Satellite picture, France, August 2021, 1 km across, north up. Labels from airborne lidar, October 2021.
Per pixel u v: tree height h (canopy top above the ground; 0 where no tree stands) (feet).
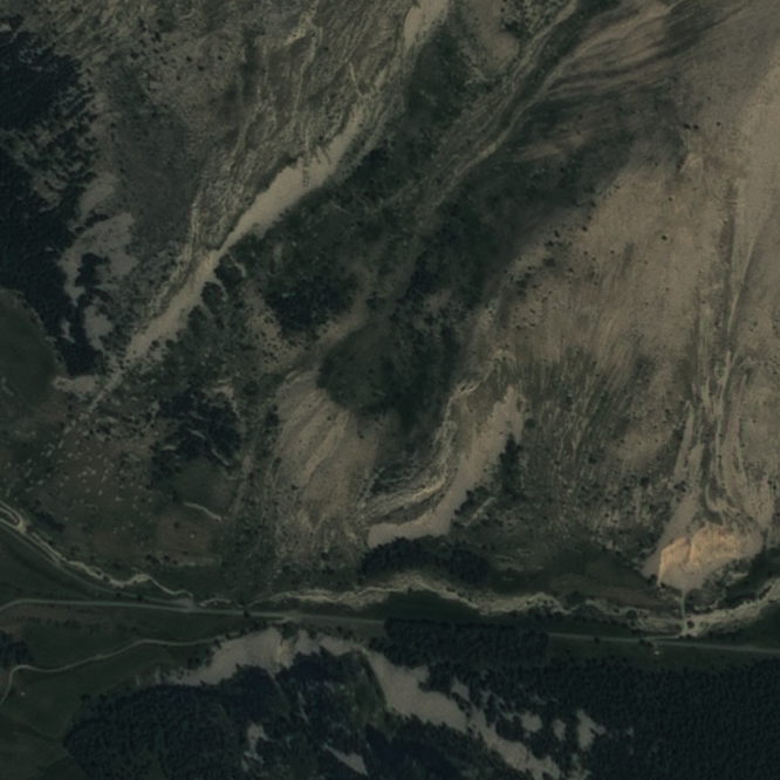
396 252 0
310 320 20
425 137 0
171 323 0
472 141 0
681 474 0
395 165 0
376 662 0
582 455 0
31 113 26
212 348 0
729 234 0
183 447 24
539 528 0
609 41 0
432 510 0
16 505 0
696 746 38
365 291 0
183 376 0
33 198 28
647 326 0
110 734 72
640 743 32
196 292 0
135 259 0
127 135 0
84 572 0
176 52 0
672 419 0
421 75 0
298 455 0
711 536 0
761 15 0
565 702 20
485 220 0
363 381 0
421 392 0
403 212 0
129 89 0
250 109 0
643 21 0
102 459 0
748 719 33
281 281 0
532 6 0
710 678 40
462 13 0
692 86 0
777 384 0
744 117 0
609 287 0
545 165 0
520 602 0
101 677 0
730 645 0
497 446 0
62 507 0
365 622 0
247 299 0
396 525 0
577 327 0
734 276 0
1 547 0
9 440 0
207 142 0
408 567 78
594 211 0
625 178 0
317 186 0
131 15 0
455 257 0
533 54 0
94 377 0
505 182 0
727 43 0
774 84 0
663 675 19
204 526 0
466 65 0
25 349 0
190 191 0
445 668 48
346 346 0
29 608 0
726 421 0
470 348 0
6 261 20
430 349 0
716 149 0
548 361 0
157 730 57
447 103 0
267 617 0
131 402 0
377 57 0
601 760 18
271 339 0
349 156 0
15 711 0
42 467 0
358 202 0
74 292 0
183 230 0
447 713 0
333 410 0
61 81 27
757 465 0
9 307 0
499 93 0
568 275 0
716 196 0
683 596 0
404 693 0
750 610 0
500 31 0
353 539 0
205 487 0
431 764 23
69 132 23
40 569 0
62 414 0
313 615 0
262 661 0
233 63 0
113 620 0
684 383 0
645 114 0
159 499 0
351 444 0
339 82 0
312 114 0
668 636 0
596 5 0
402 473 0
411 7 0
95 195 0
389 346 0
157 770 0
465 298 0
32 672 0
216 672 0
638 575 0
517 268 0
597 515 0
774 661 19
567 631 0
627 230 0
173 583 0
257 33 0
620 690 32
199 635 0
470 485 0
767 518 0
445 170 0
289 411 0
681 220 0
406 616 0
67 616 0
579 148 0
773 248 0
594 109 0
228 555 0
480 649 72
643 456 0
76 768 0
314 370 0
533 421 0
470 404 0
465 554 49
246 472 0
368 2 0
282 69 0
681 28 0
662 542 0
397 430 0
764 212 0
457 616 0
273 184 0
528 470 0
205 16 0
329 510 0
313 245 0
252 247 0
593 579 0
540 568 0
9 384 0
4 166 32
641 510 0
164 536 0
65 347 27
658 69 0
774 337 0
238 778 20
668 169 0
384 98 0
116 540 0
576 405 0
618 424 0
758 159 0
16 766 0
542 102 0
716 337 0
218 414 25
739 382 0
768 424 0
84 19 0
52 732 0
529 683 31
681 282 0
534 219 0
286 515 0
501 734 26
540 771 0
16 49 20
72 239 25
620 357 0
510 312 0
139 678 0
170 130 0
